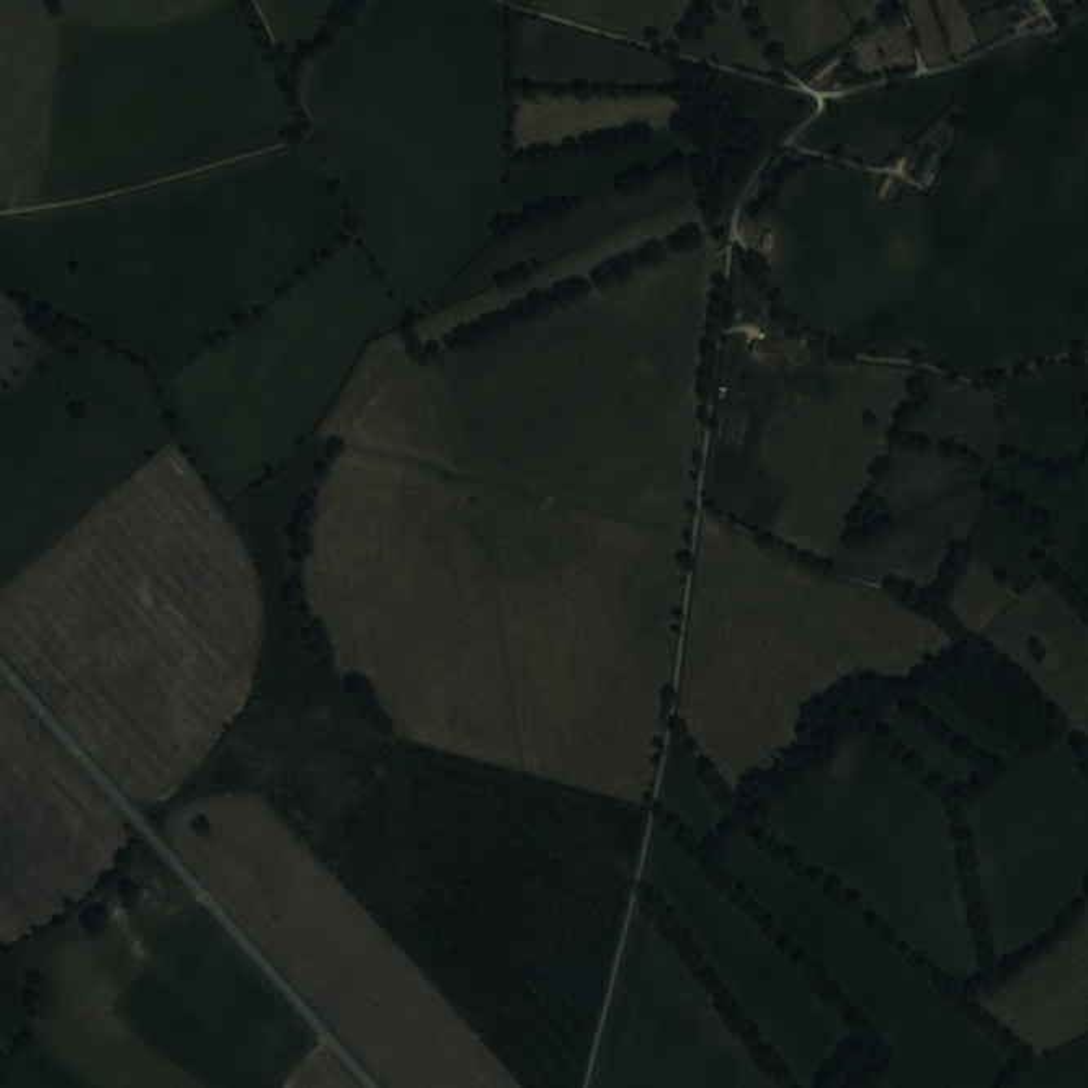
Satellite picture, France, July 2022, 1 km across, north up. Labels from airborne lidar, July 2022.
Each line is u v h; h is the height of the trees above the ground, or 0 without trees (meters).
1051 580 19
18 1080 0
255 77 0
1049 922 0
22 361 0
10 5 0
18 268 0
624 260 13
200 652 0
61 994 0
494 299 0
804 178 0
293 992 0
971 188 0
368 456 0
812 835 0
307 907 0
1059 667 0
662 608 0
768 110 0
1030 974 0
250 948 0
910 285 0
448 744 0
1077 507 0
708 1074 0
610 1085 0
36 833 0
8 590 0
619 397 0
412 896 0
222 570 0
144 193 0
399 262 0
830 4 0
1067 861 0
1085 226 0
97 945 0
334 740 0
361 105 0
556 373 0
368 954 0
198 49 0
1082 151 0
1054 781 0
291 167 0
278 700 0
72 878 0
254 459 0
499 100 0
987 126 0
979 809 0
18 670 0
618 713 0
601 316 0
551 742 0
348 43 0
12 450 0
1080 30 0
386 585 0
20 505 0
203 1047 0
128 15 0
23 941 7
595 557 0
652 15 0
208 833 10
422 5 0
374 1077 0
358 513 0
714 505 9
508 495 0
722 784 18
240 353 0
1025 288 0
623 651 0
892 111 0
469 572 0
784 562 0
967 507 0
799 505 0
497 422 0
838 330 0
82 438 0
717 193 17
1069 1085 0
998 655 14
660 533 0
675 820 18
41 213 0
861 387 0
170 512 0
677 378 0
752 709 0
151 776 0
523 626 0
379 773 0
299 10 0
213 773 0
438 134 0
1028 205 0
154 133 0
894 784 0
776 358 0
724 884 18
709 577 0
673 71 8
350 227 15
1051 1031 0
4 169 0
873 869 0
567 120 0
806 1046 0
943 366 12
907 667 0
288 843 0
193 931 0
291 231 0
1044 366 11
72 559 0
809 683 0
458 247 0
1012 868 0
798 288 0
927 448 20
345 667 0
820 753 23
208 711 0
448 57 0
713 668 0
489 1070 0
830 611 0
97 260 0
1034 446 0
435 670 0
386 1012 0
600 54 0
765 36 19
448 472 0
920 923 0
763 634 0
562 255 0
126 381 0
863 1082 22
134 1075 0
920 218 0
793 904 0
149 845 0
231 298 0
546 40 0
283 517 0
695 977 9
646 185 16
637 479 0
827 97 0
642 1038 0
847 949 0
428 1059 0
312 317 0
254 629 0
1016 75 0
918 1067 0
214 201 0
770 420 0
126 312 0
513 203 0
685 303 0
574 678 0
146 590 0
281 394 0
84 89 0
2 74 0
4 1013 0
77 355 13
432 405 0
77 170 0
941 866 0
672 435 0
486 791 0
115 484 0
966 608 0
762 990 0
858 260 0
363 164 0
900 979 0
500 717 0
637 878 0
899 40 0
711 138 15
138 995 0
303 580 13
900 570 0
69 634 0
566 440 0
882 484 13
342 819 0
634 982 0
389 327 0
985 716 19
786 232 0
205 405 0
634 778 0
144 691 0
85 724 0
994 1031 19
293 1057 0
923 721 16
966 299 0
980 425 0
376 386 0
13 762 0
